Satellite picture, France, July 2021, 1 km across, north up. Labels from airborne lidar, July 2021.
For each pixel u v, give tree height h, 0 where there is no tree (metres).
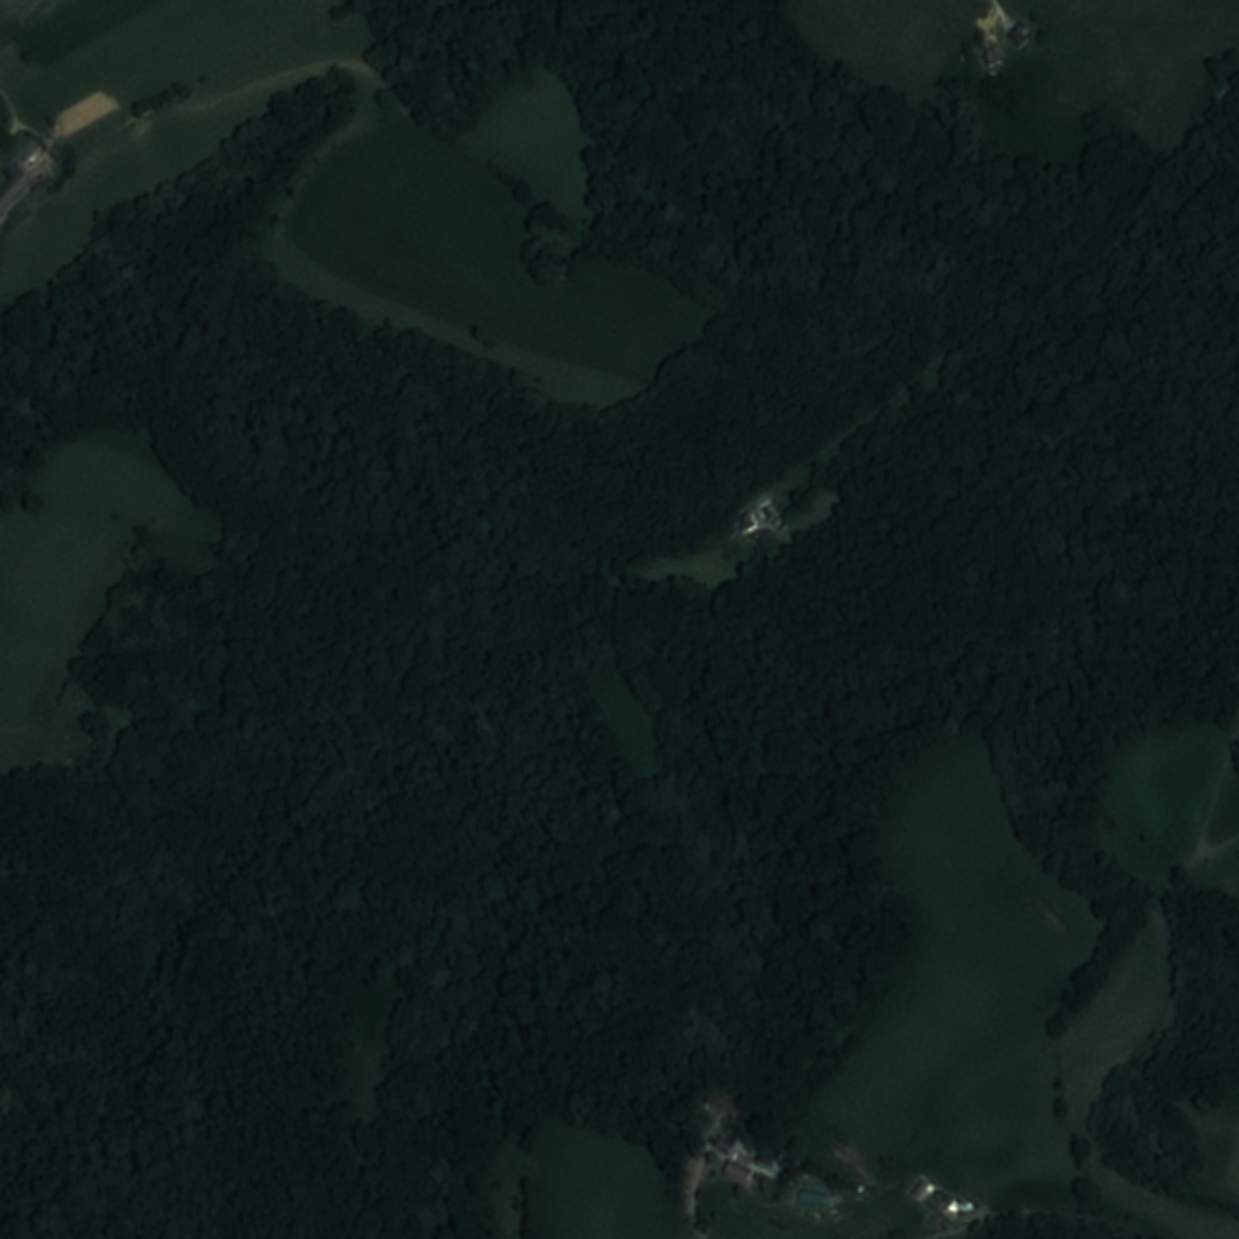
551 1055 23
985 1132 0
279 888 22
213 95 0
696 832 18
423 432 24
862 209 12
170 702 28
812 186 25
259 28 0
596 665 17
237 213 25
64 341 32
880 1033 0
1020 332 13
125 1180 22
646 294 0
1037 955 0
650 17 25
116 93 0
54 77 0
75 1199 21
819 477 9
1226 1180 0
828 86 22
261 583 22
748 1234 0
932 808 0
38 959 23
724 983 17
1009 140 0
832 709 17
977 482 8
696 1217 6
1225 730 13
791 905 29
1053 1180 0
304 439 13
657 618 28
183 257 27
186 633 29
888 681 13
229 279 20
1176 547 23
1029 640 26
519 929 35
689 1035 18
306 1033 23
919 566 14
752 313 18
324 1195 23
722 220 26
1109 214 6
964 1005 0
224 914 21
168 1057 28
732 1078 22
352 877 18
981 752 0
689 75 32
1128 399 14
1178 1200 11
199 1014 25
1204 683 15
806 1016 19
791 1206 0
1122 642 13
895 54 0
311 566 22
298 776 20
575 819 18
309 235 0
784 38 10
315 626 25
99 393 16
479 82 25
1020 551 14
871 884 34
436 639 24
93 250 10
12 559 0
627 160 20
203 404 12
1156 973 0
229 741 22
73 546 0
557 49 27
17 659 0
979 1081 0
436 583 15
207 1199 19
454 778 25
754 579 19
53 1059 23
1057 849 23
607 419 17
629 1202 0
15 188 0
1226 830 0
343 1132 14
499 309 0
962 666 19
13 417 25
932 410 9
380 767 25
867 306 18
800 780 25
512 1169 0
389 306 0
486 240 0
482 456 29
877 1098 0
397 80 21
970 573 16
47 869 25
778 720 23
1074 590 22
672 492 24
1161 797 0
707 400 23
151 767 27
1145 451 14
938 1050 0
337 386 18
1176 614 20
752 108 17
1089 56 0
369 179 0
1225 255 22
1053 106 0
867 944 23
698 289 22
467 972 37
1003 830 0
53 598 0
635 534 20
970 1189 0
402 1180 22
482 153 0
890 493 15
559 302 0
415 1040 22
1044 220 25
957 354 17
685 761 13
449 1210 26
